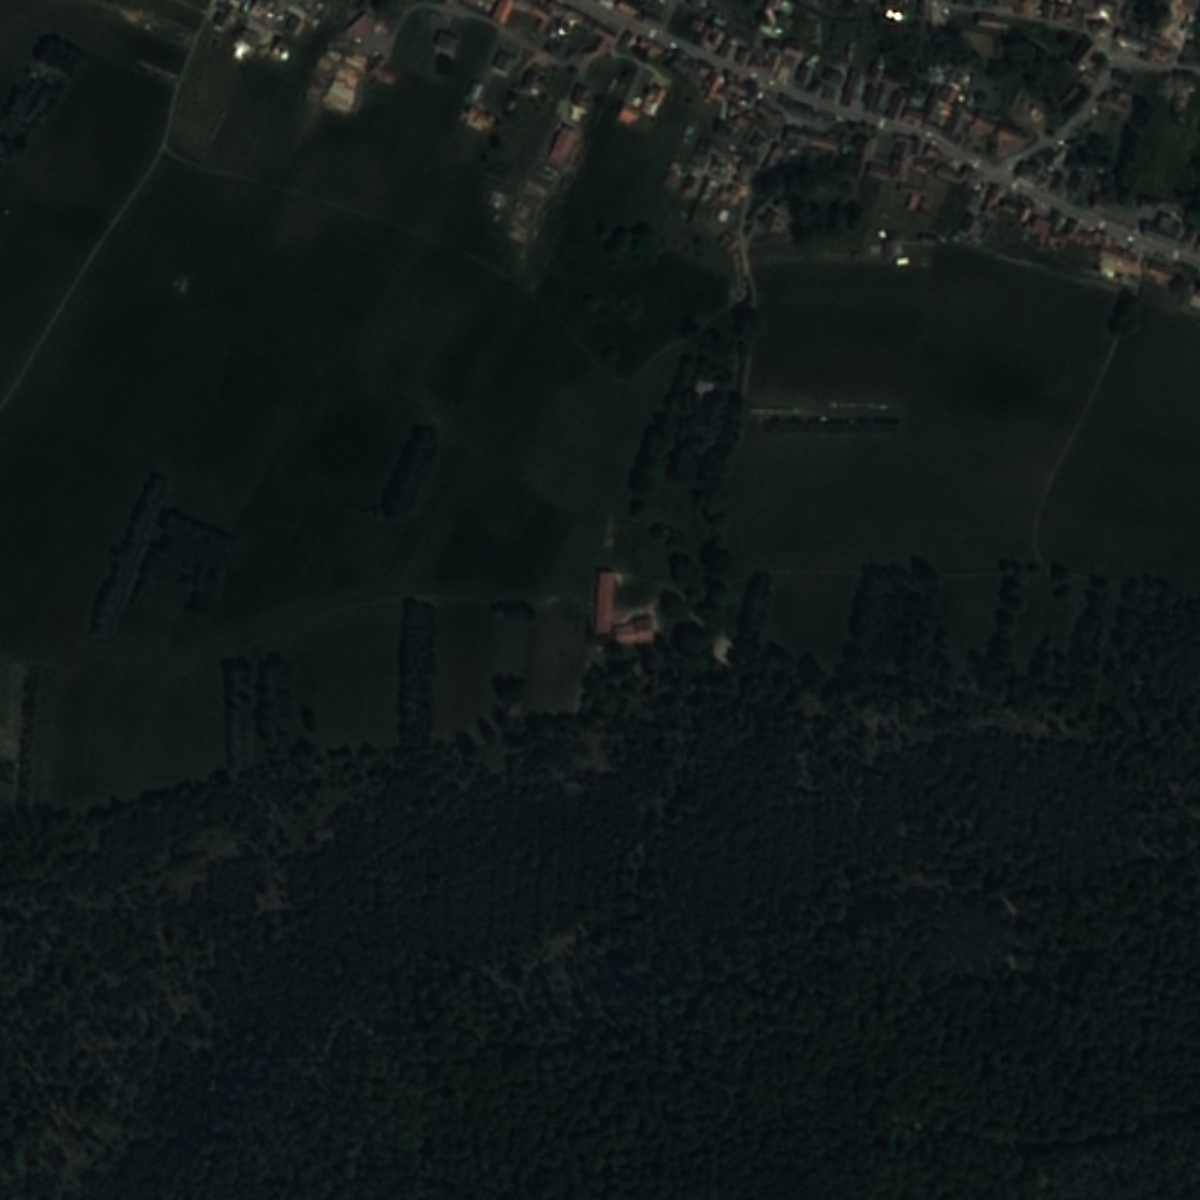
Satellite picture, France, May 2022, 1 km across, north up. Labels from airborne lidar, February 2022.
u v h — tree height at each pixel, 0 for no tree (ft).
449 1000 91
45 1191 32
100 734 0
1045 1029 89
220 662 0
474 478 0
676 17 0
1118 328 46
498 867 32
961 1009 93
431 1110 77
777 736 56
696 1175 70
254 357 0
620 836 37
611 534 0
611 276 0
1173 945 113
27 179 0
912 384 0
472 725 0
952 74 0
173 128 0
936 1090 95
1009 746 44
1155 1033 121
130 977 34
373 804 26
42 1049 66
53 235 0
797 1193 73
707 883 35
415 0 0
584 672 0
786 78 0
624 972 92
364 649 0
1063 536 0
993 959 77
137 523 42
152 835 49
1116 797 35
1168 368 0
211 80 0
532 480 0
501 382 0
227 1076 37
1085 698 63
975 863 34
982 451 0
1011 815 36
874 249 0
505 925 41
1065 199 0
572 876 40
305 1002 30
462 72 0
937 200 0
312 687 0
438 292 0
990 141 0
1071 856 37
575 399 0
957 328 0
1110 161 32
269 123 0
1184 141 0
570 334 0
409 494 65
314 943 24
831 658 0
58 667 0
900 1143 85
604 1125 97
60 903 55
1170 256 0
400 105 0
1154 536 0
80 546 0
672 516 0
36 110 30
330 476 0
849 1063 78
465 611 0
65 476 0
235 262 0
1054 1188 93
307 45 0
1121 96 0
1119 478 0
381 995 30
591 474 0
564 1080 99
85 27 0
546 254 0
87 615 0
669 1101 104
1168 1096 96
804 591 0
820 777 41
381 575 0
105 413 0
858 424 26
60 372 0
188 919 35
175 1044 40
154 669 0
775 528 0
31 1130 85
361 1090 76
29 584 0
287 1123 93
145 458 0
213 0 0
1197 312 0
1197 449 0
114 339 0
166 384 0
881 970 96
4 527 0
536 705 0
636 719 20
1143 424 0
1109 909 98
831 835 35
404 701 44
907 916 66
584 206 0
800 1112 94
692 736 44
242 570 0
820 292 0
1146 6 28
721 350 49
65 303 0
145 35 0
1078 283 0
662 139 0
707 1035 102
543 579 0
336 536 0
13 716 0
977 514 0
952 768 37
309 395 0
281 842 107
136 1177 42
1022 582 34
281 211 0
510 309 0
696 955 30
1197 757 26
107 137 0
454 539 0
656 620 0
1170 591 57
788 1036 87
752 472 0
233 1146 86
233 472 0
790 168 23
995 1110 94
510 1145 93
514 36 0
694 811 40
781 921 22
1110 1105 104
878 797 42
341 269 0
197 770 0
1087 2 0
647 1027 101
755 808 41
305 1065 92
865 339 0
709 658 22
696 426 73
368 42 0
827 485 0
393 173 0
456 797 36
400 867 37
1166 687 38
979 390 0
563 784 25
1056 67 25
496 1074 97
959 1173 85
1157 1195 71
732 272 0
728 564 58
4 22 0
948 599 0
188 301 0
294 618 0
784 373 0
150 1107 25
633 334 0
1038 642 0
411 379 0
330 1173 101
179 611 0
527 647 0
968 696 83
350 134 0
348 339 0
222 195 0
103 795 0
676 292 0
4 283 0
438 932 35
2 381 0
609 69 0
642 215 0
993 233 0
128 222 0
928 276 0
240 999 26
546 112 0
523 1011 95
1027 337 0
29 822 83
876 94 0
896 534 0
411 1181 79
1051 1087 101
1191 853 125
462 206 0
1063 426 0
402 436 0
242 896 37
